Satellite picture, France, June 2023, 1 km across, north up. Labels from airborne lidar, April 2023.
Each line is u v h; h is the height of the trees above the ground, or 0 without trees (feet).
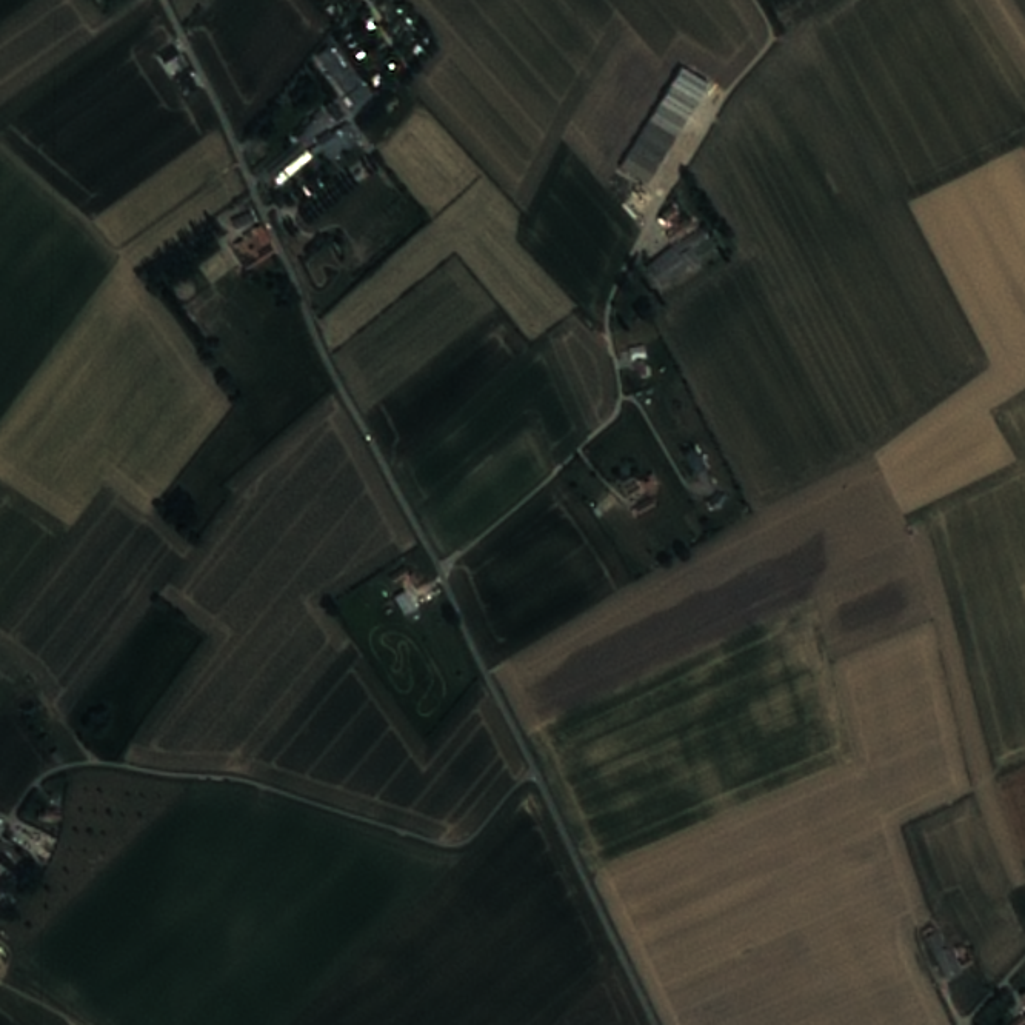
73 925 0
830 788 0
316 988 0
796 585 0
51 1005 0
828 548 0
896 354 0
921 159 0
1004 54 0
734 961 0
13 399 0
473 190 0
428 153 0
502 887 0
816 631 0
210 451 0
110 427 0
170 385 0
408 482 0
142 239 0
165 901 0
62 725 0
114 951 0
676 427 0
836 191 0
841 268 0
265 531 0
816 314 0
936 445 0
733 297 0
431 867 0
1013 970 0
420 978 0
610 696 0
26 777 0
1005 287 0
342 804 0
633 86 0
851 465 0
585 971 0
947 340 0
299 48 0
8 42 0
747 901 0
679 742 0
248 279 32
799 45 0
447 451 0
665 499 0
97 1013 0
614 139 0
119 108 0
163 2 0
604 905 0
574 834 0
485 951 0
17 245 0
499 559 0
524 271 0
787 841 0
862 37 0
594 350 0
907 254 0
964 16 0
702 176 0
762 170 0
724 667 0
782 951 0
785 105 0
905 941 0
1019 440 0
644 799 0
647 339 0
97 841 0
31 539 0
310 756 0
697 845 0
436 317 0
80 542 0
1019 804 0
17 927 0
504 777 0
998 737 0
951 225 0
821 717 0
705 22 0
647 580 0
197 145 0
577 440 0
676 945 0
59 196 0
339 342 0
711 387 0
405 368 0
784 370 0
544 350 0
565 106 0
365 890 0
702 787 0
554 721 0
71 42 0
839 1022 0
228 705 0
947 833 0
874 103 0
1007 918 0
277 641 0
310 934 0
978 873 0
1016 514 0
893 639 0
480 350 0
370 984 0
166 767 0
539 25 0
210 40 0
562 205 0
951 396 0
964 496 0
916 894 0
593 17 0
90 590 0
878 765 0
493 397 0
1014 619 0
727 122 0
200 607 0
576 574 0
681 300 0
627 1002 0
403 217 0
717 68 0
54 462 0
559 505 0
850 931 0
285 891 0
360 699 0
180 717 0
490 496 0
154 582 0
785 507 0
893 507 0
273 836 0
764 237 0
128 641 0
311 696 0
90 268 0
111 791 0
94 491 0
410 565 0
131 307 0
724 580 0
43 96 0
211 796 0
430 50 49
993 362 0
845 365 0
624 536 0
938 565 0
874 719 0
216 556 0
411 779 0
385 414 0
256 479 0
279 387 0
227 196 0
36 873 59
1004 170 0
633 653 0
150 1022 0
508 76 0
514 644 0
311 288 0
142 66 0
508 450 0
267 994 0
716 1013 0
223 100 0
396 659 0
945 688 0
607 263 0
